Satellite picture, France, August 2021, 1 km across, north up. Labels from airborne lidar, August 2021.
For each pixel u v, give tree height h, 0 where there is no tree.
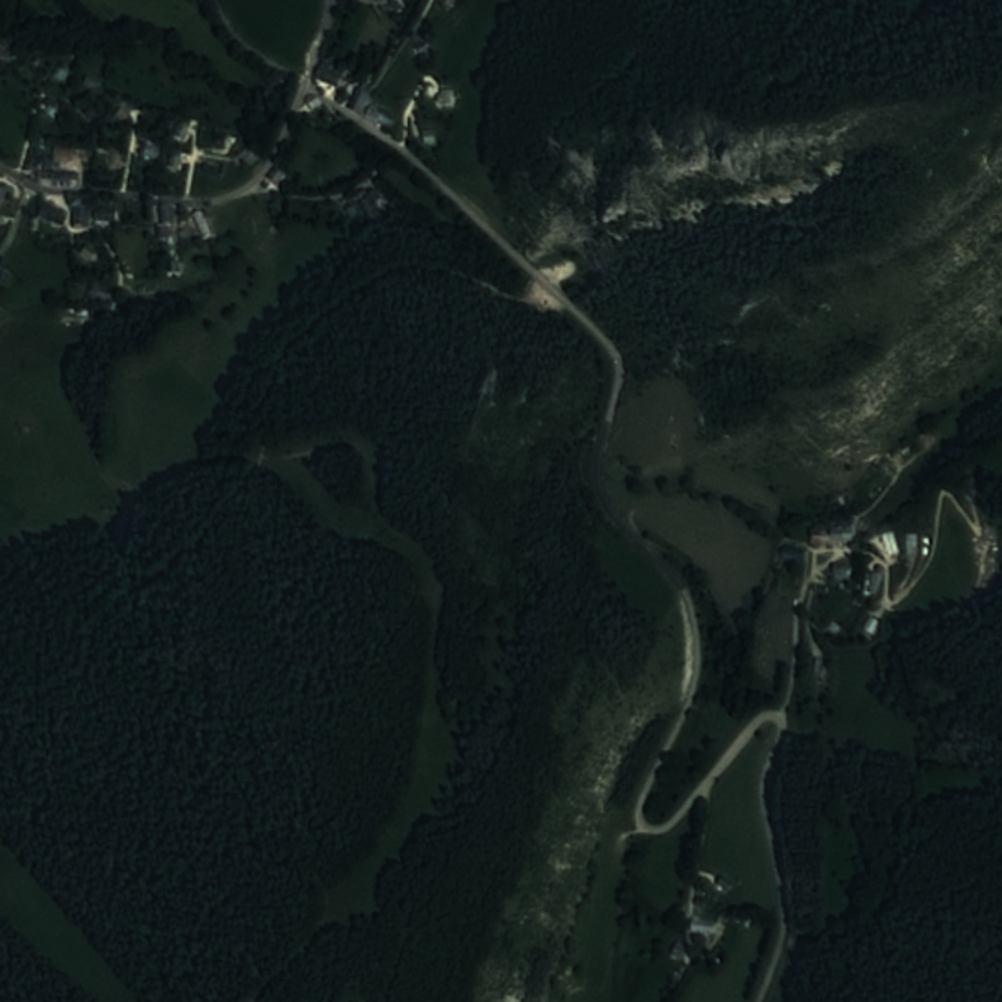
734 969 0
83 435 0
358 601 25
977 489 0
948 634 28
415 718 16
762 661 0
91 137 7
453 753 0
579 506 14
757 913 19
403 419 14
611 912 0
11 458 0
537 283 0
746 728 0
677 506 0
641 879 0
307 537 15
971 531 0
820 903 18
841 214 17
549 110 11
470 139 0
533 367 19
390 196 16
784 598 0
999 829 26
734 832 0
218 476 22
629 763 12
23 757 27
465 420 13
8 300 0
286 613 20
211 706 15
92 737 21
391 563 21
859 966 19
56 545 20
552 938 7
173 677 21
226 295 0
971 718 19
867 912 17
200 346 0
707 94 12
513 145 14
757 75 21
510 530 7
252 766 15
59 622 22
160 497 21
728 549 0
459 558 14
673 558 7
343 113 11
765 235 15
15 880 0
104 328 26
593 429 9
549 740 15
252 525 18
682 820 0
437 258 18
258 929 14
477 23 0
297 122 19
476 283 16
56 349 0
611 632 26
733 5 15
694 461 0
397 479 21
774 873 0
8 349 0
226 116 0
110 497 0
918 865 18
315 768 19
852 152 7
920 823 16
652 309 10
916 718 11
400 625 14
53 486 0
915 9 8
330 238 0
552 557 23
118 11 0
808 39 23
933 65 23
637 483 19
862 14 22
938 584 0
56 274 0
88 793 22
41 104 9
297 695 26
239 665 27
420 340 18
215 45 0
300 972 16
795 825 24
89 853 19
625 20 16
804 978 25
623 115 11
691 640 0
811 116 8
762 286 5
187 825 18
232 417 22
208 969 24
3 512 0
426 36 19
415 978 12
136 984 18
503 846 22
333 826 18
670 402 0
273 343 21
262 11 0
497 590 14
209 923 16
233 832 20
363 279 18
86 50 19
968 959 21
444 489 12
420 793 0
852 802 9
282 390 17
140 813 21
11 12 23
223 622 24
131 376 0
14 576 21
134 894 21
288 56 0
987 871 28
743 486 0
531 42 16
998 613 26
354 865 14
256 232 0
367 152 20
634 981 0
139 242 0
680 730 0
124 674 17
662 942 11
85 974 0
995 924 19
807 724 0
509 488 14
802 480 0
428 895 18
